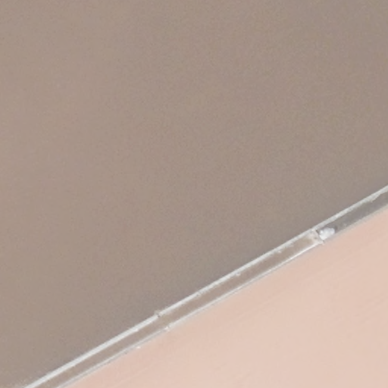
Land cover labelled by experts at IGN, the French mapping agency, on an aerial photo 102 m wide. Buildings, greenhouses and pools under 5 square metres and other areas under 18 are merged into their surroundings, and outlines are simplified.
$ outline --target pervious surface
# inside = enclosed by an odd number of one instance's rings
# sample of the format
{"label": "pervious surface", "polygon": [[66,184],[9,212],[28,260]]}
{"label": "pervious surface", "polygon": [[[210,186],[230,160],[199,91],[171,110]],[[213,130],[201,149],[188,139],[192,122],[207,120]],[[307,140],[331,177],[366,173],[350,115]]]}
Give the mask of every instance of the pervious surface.
{"label": "pervious surface", "polygon": [[330,215],[311,229],[282,242],[280,246],[262,253],[247,264],[224,274],[209,285],[197,289],[179,302],[156,311],[152,317],[145,318],[141,323],[118,333],[114,338],[33,380],[23,388],[36,388],[102,350],[120,343],[121,339],[155,323],[158,318],[176,311],[191,300],[199,299],[211,289],[255,267],[259,262],[288,249],[300,239],[309,238],[312,244],[291,256],[297,261],[315,247],[321,246],[324,239],[329,238],[327,230],[330,229],[330,223],[388,192],[388,185]]}

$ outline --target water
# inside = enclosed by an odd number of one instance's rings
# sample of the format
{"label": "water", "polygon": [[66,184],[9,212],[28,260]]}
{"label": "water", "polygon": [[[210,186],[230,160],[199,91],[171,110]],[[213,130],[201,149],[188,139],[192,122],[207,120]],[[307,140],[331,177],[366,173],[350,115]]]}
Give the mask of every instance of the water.
{"label": "water", "polygon": [[197,289],[209,285],[224,274],[247,264],[262,253],[280,246],[282,242],[311,229],[330,215],[388,185],[388,0],[0,0],[0,388],[23,388],[33,380],[114,338],[118,333],[141,323],[145,318],[152,317],[156,311],[179,302]]}
{"label": "water", "polygon": [[329,238],[324,239],[321,246],[315,247],[297,261],[291,256],[312,244],[309,238],[300,239],[288,249],[259,262],[255,267],[211,289],[199,299],[191,300],[176,311],[158,318],[155,323],[121,339],[120,343],[102,350],[36,388],[388,388],[388,192],[330,223],[330,229],[327,230]]}

